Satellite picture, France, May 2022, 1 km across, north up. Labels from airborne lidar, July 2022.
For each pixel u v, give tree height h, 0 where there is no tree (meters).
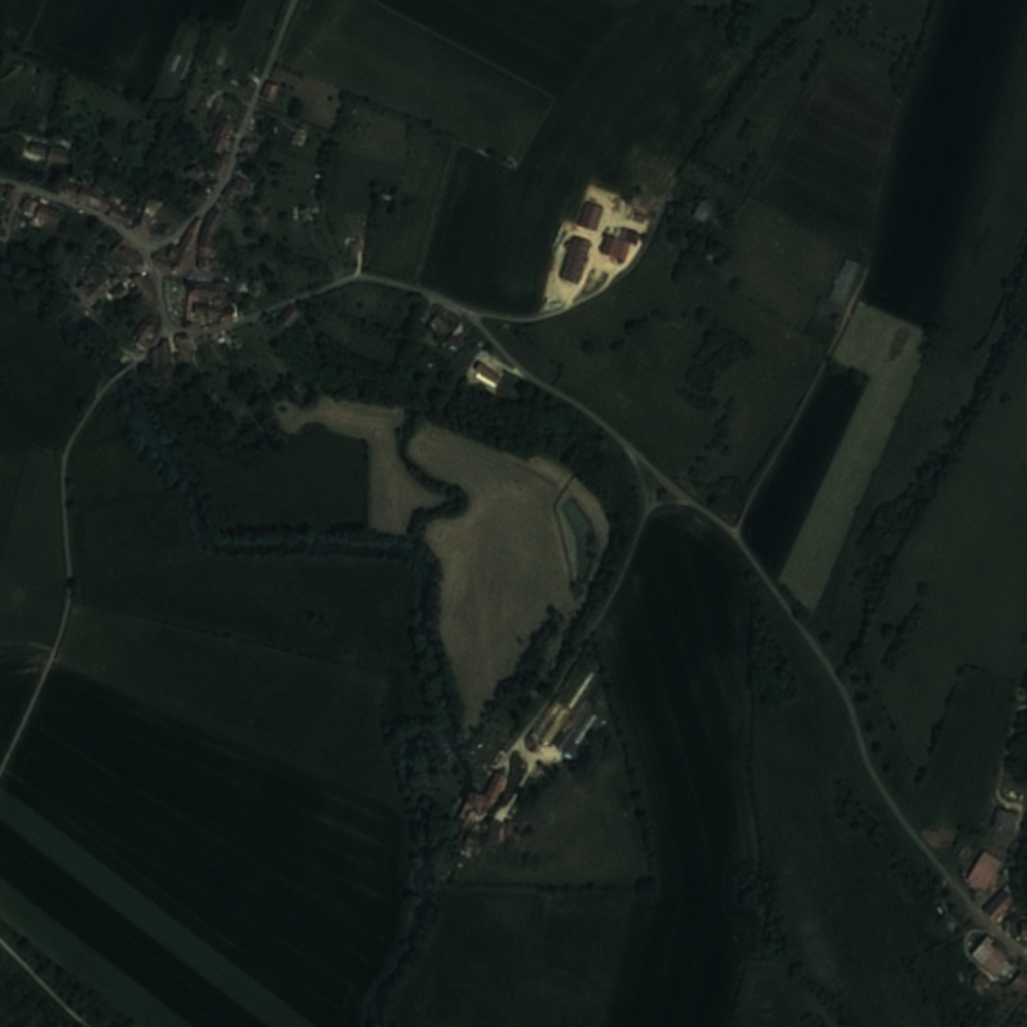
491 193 0
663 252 0
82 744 0
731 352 7
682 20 0
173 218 0
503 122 0
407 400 20
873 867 0
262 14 0
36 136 8
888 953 0
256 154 6
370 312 0
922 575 0
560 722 0
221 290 0
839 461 0
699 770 0
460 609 0
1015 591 0
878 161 0
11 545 0
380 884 0
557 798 0
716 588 0
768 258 0
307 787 0
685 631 0
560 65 0
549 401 14
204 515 17
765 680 16
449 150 0
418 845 12
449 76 0
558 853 0
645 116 0
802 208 0
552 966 0
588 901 0
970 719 0
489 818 6
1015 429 0
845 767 0
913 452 0
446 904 0
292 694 0
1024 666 0
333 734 0
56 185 11
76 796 0
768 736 0
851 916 0
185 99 8
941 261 0
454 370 5
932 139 0
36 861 0
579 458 15
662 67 0
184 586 0
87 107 7
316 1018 0
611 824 0
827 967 0
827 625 0
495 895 0
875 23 0
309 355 13
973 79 0
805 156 0
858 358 0
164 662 0
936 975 0
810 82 11
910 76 6
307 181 0
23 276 16
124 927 0
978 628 0
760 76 14
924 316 0
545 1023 0
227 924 0
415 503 0
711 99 0
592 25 0
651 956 0
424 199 0
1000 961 0
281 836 0
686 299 0
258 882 0
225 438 18
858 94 0
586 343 7
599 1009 0
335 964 0
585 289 0
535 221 0
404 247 0
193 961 0
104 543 0
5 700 0
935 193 0
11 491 0
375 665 0
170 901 0
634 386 0
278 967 0
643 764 0
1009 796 0
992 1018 6
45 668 0
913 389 0
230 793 0
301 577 0
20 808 0
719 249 16
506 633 0
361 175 0
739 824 0
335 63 0
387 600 0
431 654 15
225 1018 0
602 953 0
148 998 0
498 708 15
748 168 9
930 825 0
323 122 0
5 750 0
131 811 0
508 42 0
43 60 6
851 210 0
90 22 0
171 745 0
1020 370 0
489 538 0
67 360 0
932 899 8
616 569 14
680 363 0
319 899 0
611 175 0
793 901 0
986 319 0
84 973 0
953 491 0
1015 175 0
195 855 0
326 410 0
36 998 9
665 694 0
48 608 0
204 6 0
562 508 0
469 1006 0
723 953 0
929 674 0
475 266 0
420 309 15
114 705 0
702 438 0
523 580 0
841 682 13
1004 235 0
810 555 0
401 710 0
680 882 0
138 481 0
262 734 0
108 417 0
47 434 0
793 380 0
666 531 0
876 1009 0
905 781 0
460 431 16
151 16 0
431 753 13
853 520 0
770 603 0
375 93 0
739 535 0
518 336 8
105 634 0
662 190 0
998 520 0
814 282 0
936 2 7
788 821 0
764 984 0
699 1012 0
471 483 0
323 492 0
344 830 0
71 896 0
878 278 0
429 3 0
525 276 0
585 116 0
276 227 0
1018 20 0
